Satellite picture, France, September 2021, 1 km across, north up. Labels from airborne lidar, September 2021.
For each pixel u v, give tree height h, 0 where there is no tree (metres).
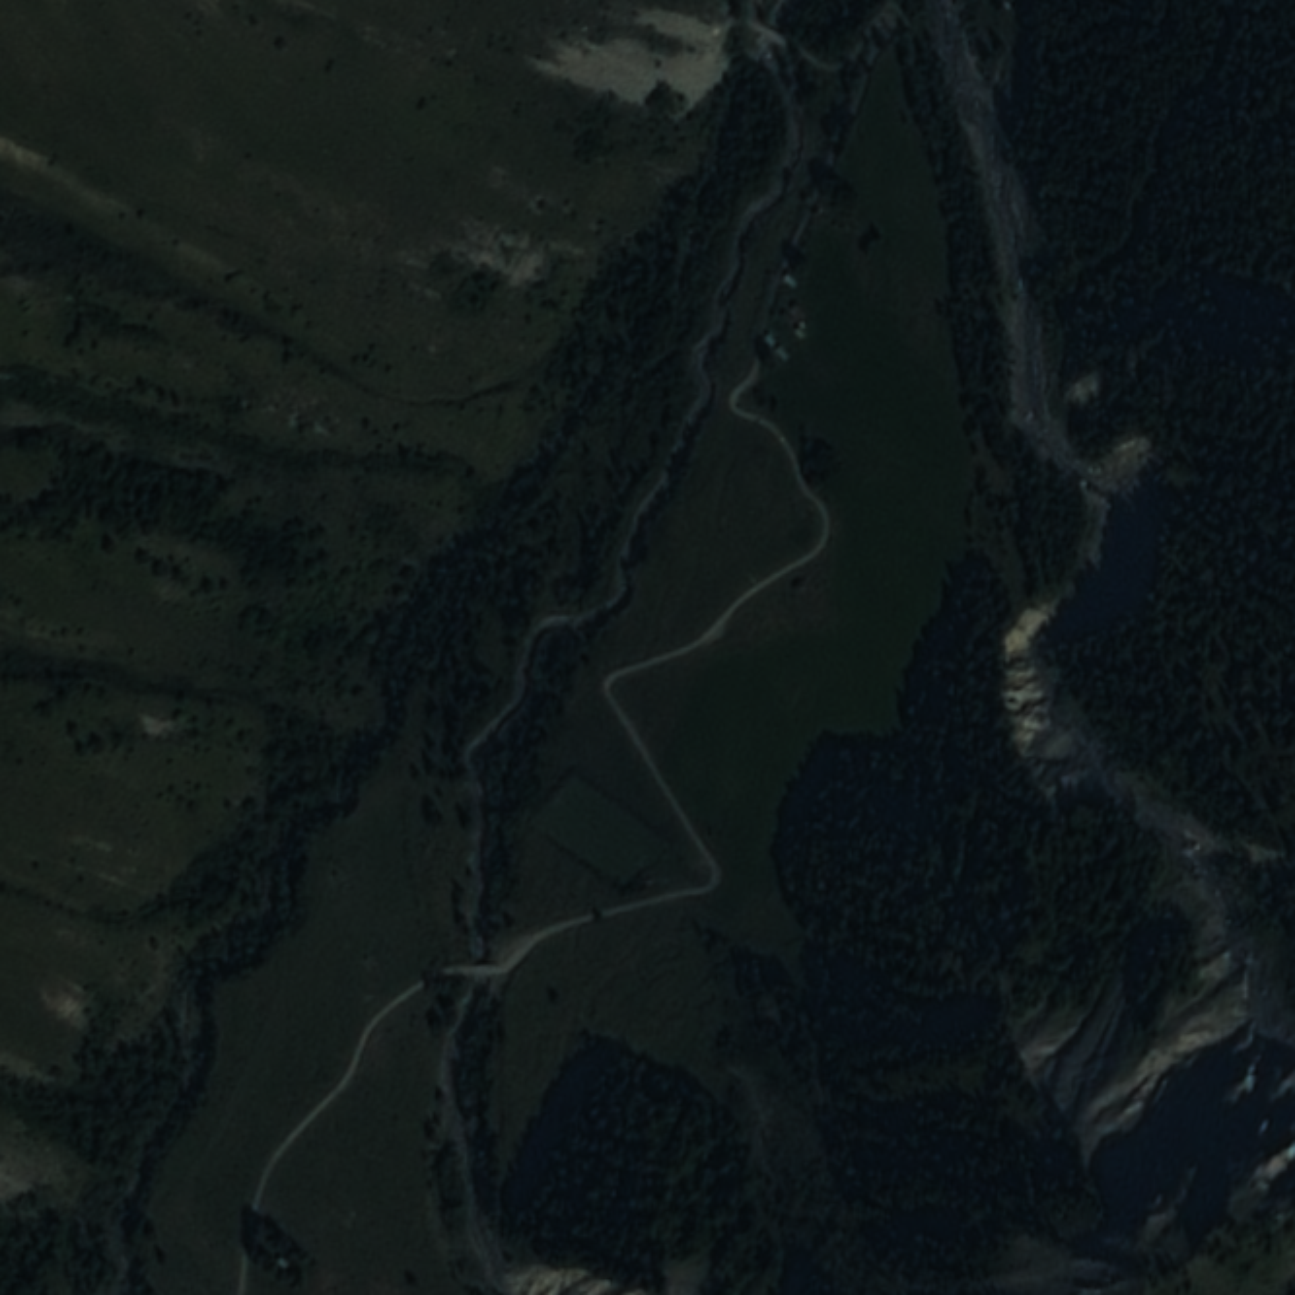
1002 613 17
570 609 13
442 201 0
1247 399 16
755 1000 13
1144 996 15
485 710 16
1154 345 35
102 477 13
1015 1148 12
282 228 0
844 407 0
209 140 0
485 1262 0
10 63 0
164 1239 0
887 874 17
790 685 0
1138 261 21
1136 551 0
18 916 0
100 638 0
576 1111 17
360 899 0
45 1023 0
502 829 12
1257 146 11
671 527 0
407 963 0
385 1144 0
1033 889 8
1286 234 15
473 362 0
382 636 11
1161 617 18
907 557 0
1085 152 21
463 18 0
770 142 18
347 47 0
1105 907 15
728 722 0
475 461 0
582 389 11
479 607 21
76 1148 9
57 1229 20
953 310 11
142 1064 14
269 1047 0
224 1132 0
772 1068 0
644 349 10
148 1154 7
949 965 17
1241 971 0
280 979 0
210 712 8
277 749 9
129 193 0
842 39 16
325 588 10
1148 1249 0
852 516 0
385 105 0
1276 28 24
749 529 0
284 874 11
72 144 0
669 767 0
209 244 0
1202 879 0
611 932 0
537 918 0
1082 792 0
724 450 0
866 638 0
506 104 0
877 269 0
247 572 8
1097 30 16
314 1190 0
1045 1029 0
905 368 0
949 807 16
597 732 0
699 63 0
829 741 0
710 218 10
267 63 0
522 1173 0
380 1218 0
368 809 0
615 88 0
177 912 10
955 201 16
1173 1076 0
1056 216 17
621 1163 19
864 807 12
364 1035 0
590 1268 13
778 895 0
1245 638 20
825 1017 9
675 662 0
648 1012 0
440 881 0
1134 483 0
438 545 6
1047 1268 0
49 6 0
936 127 14
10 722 0
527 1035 0
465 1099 10
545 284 7
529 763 11
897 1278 13
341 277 0
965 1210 20
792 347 0
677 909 0
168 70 0
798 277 12
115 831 0
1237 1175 0
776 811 0
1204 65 23
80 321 11
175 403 16
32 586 0
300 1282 16
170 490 11
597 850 0
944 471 0
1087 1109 0
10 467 0
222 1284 0
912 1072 20
